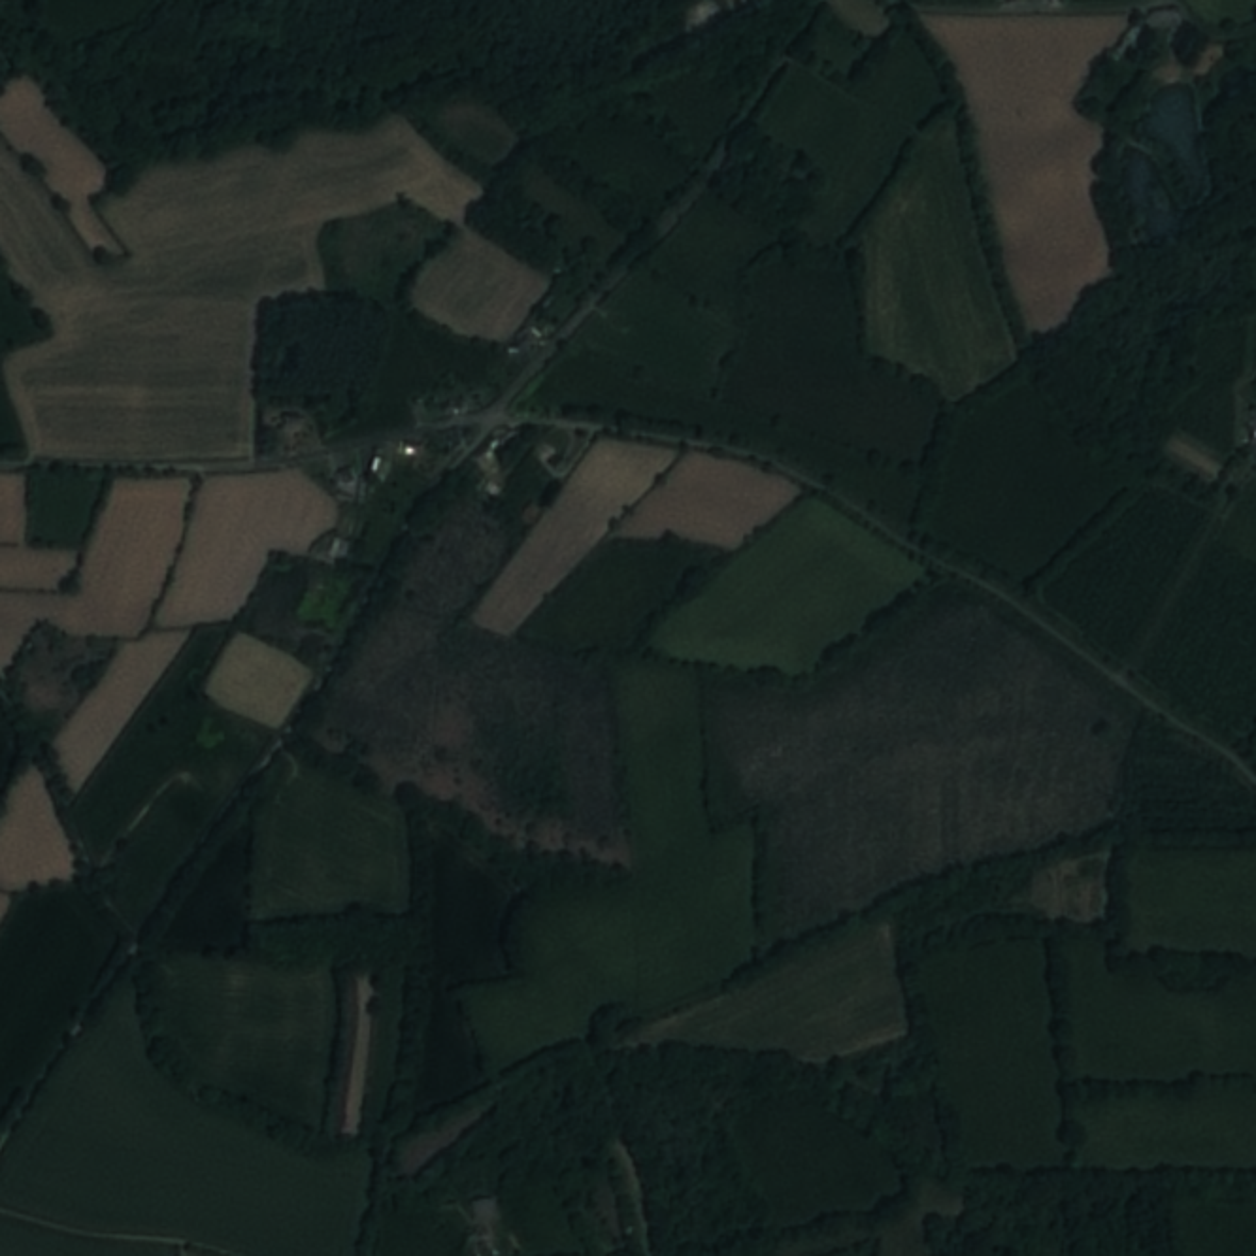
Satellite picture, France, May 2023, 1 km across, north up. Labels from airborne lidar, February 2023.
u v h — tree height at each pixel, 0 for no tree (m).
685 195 12
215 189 0
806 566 0
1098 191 14
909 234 0
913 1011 14
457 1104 9
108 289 0
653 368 0
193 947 0
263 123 21
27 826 0
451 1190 7
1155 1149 0
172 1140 0
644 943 0
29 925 0
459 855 0
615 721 0
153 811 0
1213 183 11
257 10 12
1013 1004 0
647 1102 10
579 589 0
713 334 0
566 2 8
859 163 0
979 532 0
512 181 19
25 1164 0
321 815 0
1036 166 0
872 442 0
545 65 16
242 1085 0
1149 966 15
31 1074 0
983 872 13
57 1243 0
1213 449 0
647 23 15
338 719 0
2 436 0
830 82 14
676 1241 8
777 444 0
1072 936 14
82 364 0
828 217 0
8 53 13
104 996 10
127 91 8
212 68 7
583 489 0
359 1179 0
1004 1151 0
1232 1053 0
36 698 0
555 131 18
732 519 0
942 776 0
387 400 0
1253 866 0
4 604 0
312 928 15
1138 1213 23
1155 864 0
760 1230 15
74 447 0
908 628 0
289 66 14
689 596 15
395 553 11
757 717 0
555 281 7
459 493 9
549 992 0
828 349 0
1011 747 0
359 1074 0
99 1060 0
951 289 0
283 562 9
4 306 0
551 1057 13
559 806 6
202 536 0
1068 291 0
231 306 0
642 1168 17
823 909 0
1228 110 16
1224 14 0
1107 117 12
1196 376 12
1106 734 17
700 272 0
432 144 9
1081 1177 15
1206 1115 0
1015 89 0
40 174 17
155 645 0
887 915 11
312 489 0
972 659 0
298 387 22
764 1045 0
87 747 0
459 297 0
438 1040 0
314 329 25
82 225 0
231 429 0
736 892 0
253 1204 0
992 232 13
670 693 0
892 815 0
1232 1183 15
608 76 18
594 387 0
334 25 11
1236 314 7
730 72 10
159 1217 0
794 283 0
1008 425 0
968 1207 7
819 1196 0
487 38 10
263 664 0
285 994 0
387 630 0
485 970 0
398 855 0
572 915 0
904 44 0
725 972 0
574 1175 14
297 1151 8
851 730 0
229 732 0
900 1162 16
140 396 0
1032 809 0
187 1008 0
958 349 0
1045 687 0
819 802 0
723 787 0
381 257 0
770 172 12
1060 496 0
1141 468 10
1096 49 0
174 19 7
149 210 0
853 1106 19
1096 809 0
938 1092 7
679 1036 0
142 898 0
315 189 0
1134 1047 0
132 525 0
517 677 0
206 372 0
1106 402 8
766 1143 0
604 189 11
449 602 0
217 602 0
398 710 0
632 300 0
